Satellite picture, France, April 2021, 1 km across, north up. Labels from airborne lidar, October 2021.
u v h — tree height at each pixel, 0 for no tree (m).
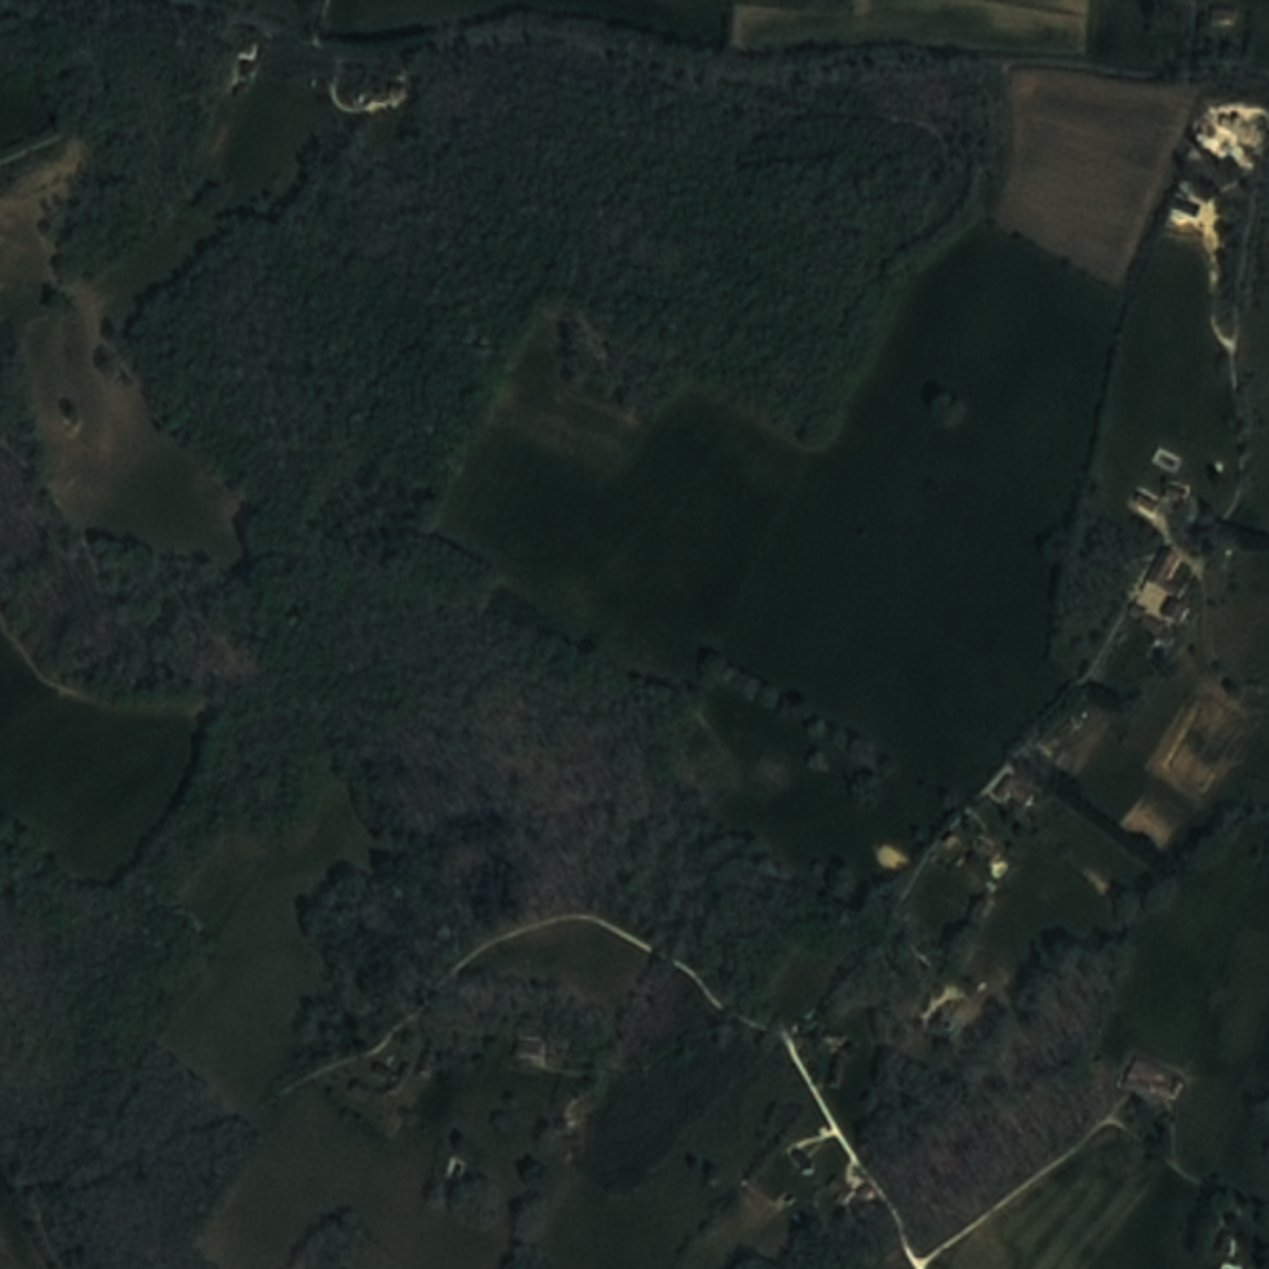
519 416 0
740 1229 0
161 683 20
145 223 17
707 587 0
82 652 23
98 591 15
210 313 17
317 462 15
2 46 18
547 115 12
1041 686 0
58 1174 17
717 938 22
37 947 19
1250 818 14
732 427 0
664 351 21
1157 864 15
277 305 18
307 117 0
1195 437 0
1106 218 0
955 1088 20
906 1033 22
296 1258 12
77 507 0
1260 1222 18
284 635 22
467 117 8
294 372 17
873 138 8
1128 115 0
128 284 0
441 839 20
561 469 0
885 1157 18
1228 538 16
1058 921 0
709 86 17
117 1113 16
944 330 0
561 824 12
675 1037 6
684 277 18
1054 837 0
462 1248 0
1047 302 0
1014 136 0
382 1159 0
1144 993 0
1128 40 0
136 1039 25
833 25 0
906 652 0
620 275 18
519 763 21
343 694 20
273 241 18
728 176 18
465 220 14
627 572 0
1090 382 0
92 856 0
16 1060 13
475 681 18
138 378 15
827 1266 21
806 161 9
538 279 18
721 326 16
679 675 0
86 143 20
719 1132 0
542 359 0
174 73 14
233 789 22
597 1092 23
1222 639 0
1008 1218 0
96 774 0
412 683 16
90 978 21
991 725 0
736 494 0
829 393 24
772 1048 15
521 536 0
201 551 0
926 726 0
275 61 18
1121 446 0
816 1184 0
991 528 0
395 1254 0
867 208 22
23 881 21
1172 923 0
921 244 14
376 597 19
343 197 16
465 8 0
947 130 12
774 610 0
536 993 12
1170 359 0
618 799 20
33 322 0
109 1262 12
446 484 20
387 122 0
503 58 10
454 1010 18
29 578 23
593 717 12
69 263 19
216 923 0
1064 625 11
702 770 0
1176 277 0
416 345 16
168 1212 12
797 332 17
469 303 20
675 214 19
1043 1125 27
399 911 21
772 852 0
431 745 23
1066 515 0
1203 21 7
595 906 14
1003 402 0
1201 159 19
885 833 0
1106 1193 0
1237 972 0
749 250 18
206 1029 0
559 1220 0
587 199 16
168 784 0
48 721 0
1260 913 0
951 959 22
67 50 19
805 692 0
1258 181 13
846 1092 0
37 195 0
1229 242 20
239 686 20
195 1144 19
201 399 19
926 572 0
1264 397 0
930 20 0
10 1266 0
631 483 0
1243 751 0
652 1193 0
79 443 0
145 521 0
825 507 0
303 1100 0
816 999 0
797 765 0
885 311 20
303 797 21
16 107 0
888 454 0
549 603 0
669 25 0
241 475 15
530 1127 0
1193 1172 0
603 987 0
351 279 16
